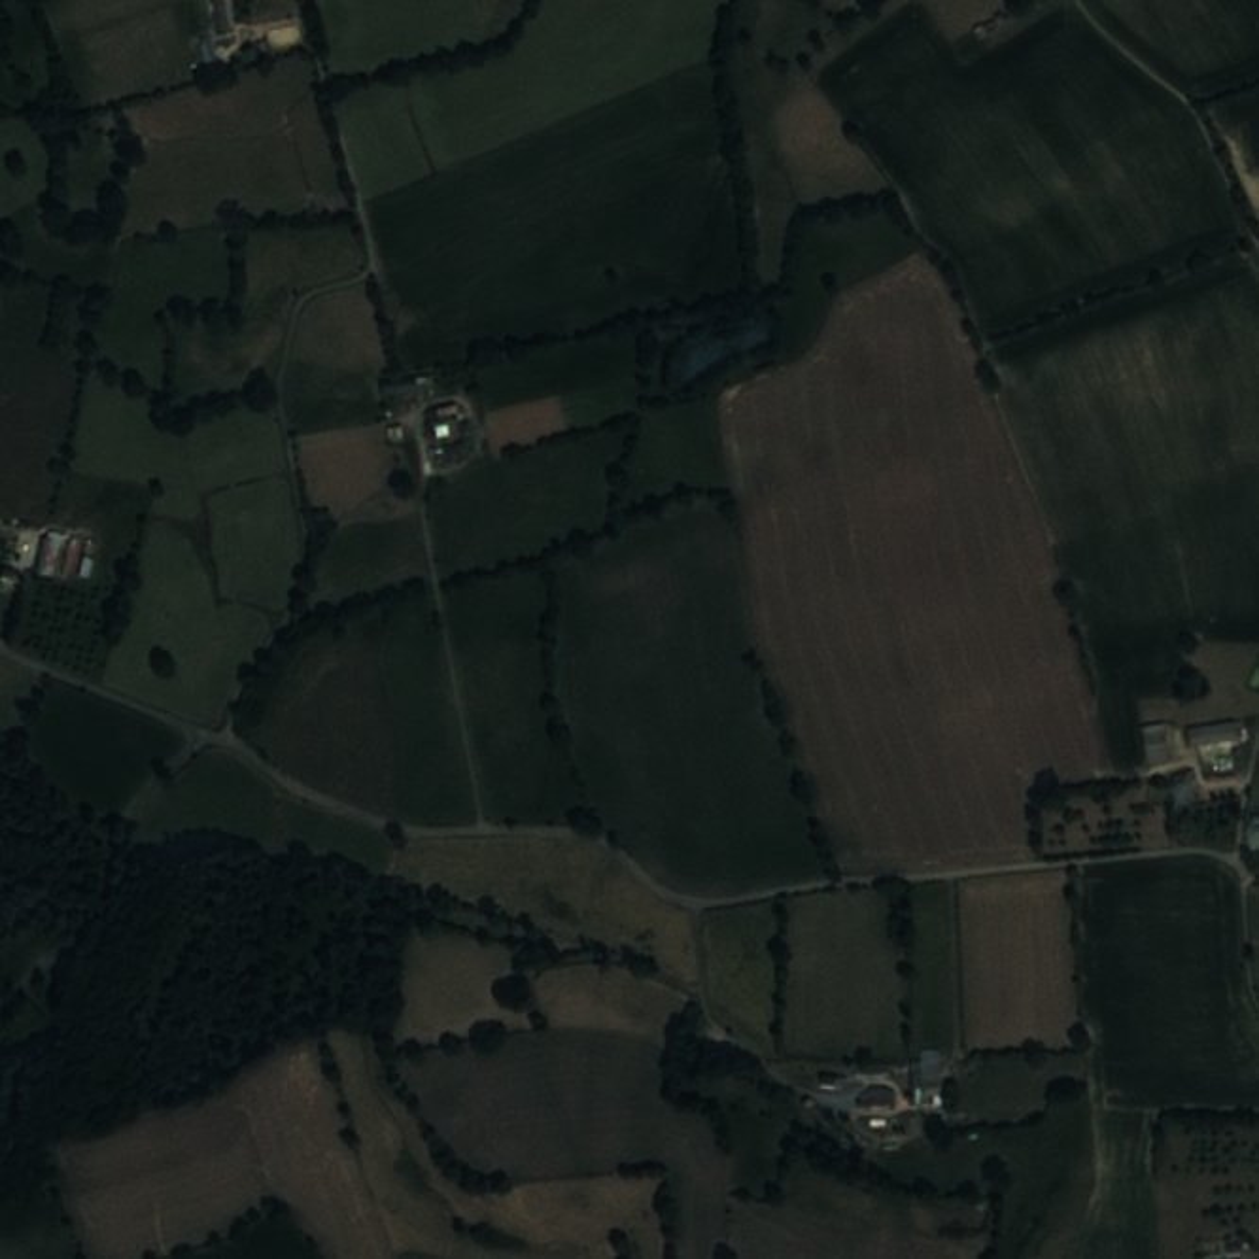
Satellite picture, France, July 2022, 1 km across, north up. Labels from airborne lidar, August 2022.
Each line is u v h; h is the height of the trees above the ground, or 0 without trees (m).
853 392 0
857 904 0
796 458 0
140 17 0
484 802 0
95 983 27
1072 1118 0
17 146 0
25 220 0
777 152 0
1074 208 0
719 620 0
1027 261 0
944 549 0
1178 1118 10
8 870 14
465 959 0
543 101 0
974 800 0
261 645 0
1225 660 0
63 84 12
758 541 0
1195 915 0
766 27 0
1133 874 0
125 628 13
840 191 0
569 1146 0
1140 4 0
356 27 0
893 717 0
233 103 0
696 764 0
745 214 14
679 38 0
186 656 0
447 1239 0
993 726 0
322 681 0
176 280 0
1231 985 0
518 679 0
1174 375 0
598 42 0
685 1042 18
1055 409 0
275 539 0
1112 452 0
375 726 0
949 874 0
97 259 0
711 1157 0
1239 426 0
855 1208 0
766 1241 0
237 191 0
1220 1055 0
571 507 0
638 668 0
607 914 0
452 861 0
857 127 14
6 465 0
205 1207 0
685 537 0
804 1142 15
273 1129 0
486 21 0
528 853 0
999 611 0
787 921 17
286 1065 0
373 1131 0
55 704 0
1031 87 0
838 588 0
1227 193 0
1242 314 0
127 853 23
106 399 0
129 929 25
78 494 0
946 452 0
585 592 0
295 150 0
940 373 0
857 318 0
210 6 0
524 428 0
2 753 15
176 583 0
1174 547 0
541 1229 0
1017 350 0
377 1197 0
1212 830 9
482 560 0
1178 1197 0
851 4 0
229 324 20
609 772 0
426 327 0
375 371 0
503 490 0
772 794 0
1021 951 0
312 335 0
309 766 0
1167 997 0
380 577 0
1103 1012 0
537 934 19
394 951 10
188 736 0
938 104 0
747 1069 16
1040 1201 0
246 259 7
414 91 0
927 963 0
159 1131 0
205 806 0
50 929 34
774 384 0
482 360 16
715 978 0
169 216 0
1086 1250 0
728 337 12
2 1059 22
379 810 0
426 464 0
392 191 0
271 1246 0
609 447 0
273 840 0
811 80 0
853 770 0
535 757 0
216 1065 7
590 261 0
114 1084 20
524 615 0
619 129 0
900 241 0
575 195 0
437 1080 0
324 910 0
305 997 9
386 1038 18
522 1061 0
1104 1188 0
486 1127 0
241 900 15
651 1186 0
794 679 0
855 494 0
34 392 0
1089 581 0
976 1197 17
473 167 0
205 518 0
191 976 12
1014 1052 8
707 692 0
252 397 16
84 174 0
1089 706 0
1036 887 0
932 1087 0
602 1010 0
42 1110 21
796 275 10
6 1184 19
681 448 0
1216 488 0
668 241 0
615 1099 0
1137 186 0
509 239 0
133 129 9
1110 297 6
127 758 0
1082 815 7
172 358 7
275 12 0
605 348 0
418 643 0
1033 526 0
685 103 0
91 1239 0
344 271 0
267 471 0
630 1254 6
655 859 0
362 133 0
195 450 0
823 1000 0
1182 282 0
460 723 0
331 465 0
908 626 0
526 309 0
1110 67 0
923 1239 0
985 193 0
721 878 0
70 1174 0
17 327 0
